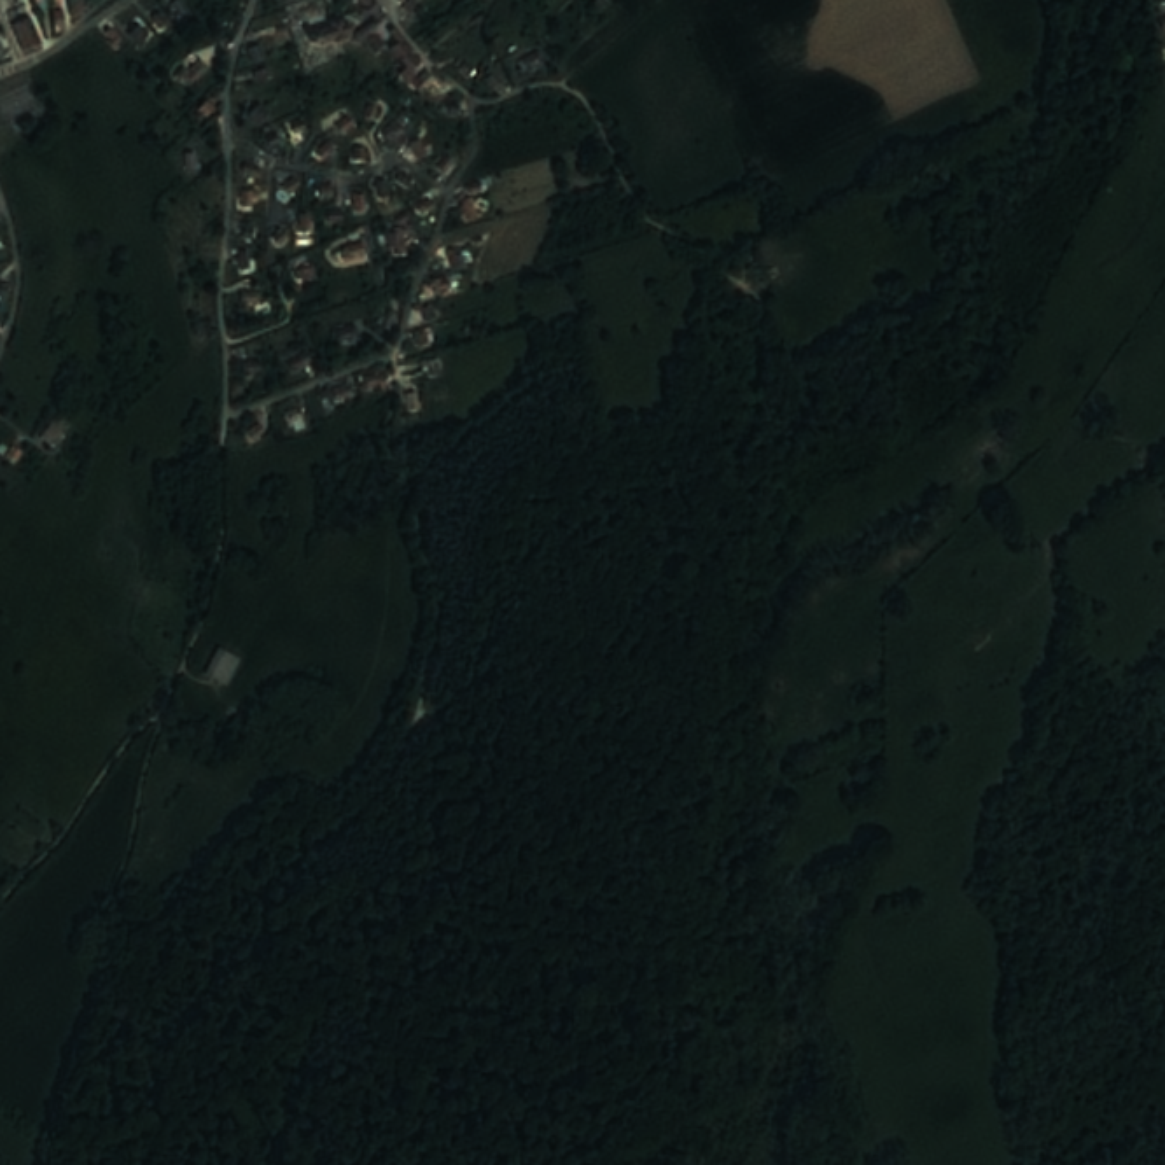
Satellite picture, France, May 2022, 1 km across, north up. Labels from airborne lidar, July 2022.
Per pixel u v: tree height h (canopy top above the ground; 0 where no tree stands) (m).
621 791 22
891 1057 0
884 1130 0
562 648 21
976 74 0
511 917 30
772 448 21
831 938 27
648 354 0
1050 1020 24
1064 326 0
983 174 24
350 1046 26
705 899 23
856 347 25
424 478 16
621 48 0
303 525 0
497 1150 23
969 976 0
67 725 0
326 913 26
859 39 0
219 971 14
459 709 16
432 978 24
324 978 27
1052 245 8
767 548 23
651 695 17
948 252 14
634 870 19
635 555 20
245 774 0
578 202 11
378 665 0
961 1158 0
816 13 0
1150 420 0
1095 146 28
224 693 0
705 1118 26
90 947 17
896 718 0
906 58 0
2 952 0
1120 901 27
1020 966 26
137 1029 22
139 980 26
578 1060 28
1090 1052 19
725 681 21
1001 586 0
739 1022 31
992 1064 0
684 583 19
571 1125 24
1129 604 0
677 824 16
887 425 26
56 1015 0
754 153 0
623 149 15
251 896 27
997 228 11
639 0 0
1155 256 0
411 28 0
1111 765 19
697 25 0
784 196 18
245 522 0
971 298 20
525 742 22
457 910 30
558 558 21
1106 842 19
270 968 24
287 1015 27
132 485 0
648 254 0
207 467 16
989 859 20
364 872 24
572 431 20
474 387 0
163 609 0
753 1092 13
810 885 21
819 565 24
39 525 0
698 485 25
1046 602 0
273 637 0
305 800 23
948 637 0
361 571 0
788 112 0
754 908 30
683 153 0
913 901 20
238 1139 29
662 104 0
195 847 0
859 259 0
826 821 0
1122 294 0
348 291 0
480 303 0
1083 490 0
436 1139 24
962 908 0
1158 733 24
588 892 23
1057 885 10
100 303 9
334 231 6
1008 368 17
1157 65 23
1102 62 27
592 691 22
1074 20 20
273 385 14
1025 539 6
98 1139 21
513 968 27
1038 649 0
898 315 23
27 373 0
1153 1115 9
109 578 0
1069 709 24
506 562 12
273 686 16
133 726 11
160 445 0
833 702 0
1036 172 15
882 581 0
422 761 23
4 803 0
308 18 0
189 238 0
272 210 0
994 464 16
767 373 20
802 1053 7
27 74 0
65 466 7
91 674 0
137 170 0
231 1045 27
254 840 23
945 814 0
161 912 13
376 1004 25
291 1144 27
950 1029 0
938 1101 0
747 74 0
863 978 0
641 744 23
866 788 18
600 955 29
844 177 0
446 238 0
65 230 0
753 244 10
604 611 23
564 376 15
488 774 24
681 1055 22
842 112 0
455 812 31
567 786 23
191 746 14
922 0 0
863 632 0
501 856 27
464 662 18
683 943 21
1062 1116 10
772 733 13
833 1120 24
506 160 0
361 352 12
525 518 20
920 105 0
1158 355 0
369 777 19
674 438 21
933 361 11
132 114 0
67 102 0
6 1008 0
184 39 16
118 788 0
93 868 0
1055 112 25
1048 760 22
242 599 0
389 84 6
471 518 24
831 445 9
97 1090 25
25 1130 6
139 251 0
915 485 0
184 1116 20
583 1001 30
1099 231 0
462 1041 29
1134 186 0
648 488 20
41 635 0
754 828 29
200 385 0
